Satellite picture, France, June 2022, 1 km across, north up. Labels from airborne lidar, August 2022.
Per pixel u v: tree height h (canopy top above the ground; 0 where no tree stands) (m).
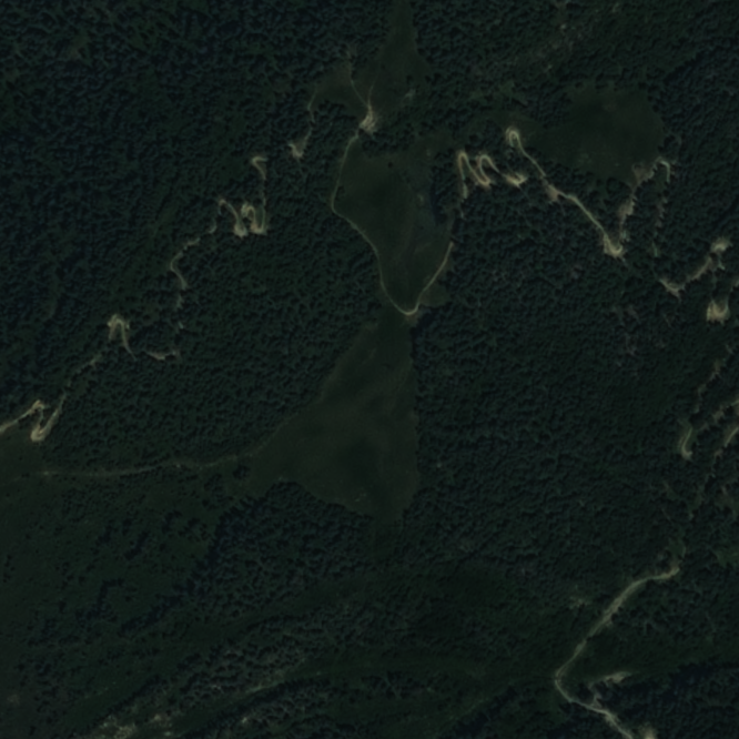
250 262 12
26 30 25
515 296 25
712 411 28
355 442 0
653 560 26
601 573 22
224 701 6
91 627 8
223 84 16
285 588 29
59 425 11
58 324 13
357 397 0
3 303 7
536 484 28
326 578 31
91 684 10
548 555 27
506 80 19
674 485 31
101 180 22
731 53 30
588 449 31
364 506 0
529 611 15
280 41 22
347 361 0
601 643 9
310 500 16
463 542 27
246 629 6
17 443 0
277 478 0
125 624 7
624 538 25
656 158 0
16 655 0
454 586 16
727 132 17
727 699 21
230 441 12
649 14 12
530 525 23
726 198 35
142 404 22
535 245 30
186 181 9
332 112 22
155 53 8
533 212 31
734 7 22
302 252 20
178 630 14
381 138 31
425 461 12
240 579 26
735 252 23
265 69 19
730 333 22
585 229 24
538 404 28
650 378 20
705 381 24
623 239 0
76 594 6
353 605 9
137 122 6
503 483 19
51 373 18
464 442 14
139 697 18
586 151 0
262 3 27
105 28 20
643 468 26
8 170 11
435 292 0
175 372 14
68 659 5
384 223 0
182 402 12
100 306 8
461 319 15
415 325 0
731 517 26
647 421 27
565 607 12
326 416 0
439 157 11
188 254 15
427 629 20
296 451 0
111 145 19
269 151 20
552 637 8
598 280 21
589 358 24
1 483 0
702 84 27
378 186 0
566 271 24
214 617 6
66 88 9
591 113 0
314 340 14
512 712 7
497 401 26
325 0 6
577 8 23
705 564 28
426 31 18
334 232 19
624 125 0
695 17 13
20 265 20
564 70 16
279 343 24
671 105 19
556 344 13
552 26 24
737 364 25
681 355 20
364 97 0
